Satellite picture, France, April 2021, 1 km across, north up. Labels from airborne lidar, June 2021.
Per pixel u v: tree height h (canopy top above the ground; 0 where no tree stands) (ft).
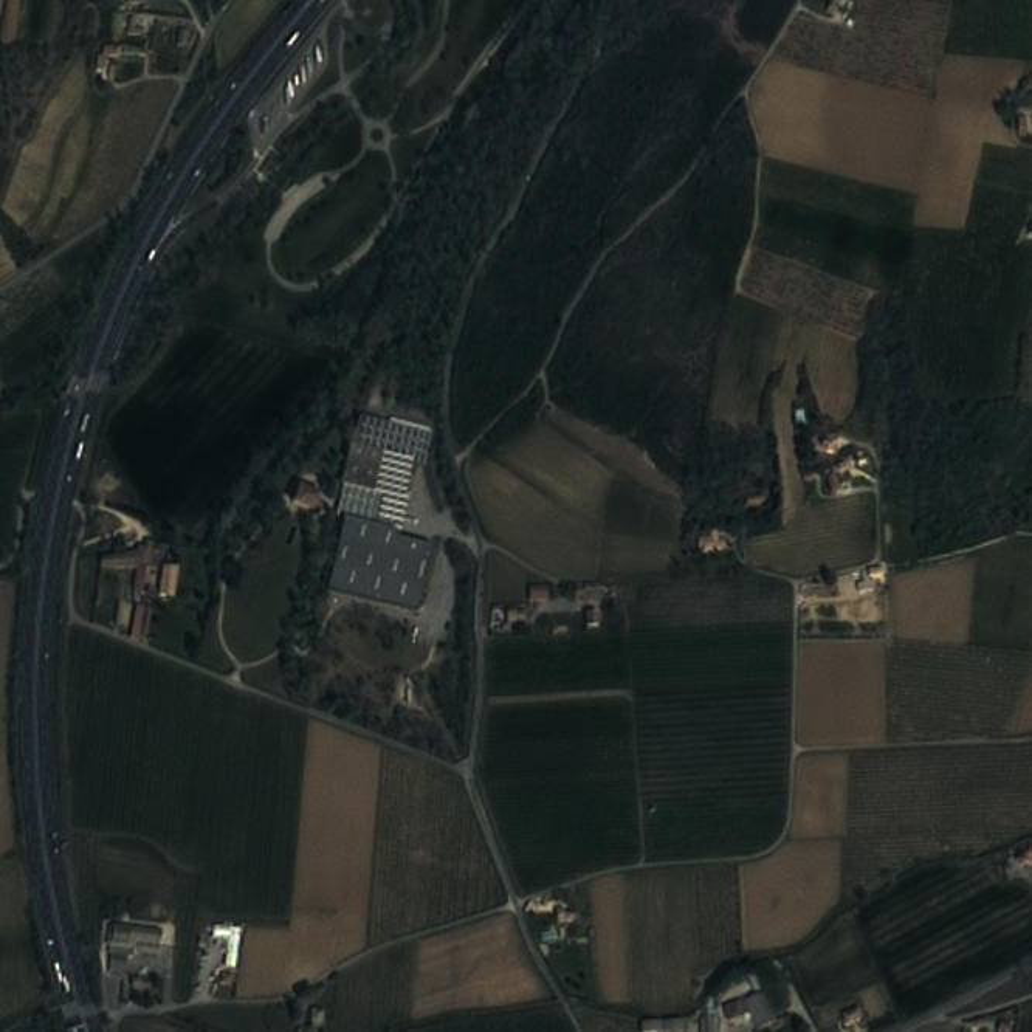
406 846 0
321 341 75
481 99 73
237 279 0
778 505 48
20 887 0
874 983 0
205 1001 0
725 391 0
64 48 34
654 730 19
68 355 64
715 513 33
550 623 39
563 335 65
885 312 58
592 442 0
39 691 0
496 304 27
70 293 0
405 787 0
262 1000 0
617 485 0
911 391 55
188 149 0
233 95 0
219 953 0
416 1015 0
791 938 0
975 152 0
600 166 19
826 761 0
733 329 0
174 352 0
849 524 0
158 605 29
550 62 88
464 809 0
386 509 0
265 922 0
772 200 0
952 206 0
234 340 0
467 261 86
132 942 0
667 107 22
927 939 0
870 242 0
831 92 0
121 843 0
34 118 30
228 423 0
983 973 0
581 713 0
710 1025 0
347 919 0
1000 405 20
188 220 0
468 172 89
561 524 0
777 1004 0
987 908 0
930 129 0
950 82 0
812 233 0
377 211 0
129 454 0
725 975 51
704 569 48
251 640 0
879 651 0
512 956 0
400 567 0
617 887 0
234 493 102
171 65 0
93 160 0
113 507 31
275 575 0
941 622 0
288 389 0
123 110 0
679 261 17
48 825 0
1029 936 0
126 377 76
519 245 18
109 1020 42
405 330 93
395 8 52
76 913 0
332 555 44
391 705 33
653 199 0
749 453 43
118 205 0
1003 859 0
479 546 0
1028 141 17
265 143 0
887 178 0
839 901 0
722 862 0
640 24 47
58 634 0
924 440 37
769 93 0
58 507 0
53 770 0
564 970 0
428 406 40
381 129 0
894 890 0
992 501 34
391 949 0
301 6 0
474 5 0
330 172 0
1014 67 0
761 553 0
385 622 32
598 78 29
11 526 0
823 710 0
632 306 20
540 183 27
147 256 0
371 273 56
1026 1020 0
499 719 0
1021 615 0
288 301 0
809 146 0
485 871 0
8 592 0
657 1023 0
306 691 50
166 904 0
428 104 46
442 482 32
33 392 52
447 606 0
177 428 0
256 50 0
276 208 47
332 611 0
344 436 101
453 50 31
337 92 0
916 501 25
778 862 0
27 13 0
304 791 0
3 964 0
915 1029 0
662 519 0
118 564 0
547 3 100
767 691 19
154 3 0
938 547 31
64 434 0
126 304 0
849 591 0
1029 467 24
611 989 0
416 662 0
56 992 26
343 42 0
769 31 23
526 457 0
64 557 0
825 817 0
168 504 0
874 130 0
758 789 21
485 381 21
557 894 23
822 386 0
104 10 23
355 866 0
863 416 30
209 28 0
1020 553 0
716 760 18
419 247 86
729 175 40
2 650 0
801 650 0
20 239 37
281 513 65
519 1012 0
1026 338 39
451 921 0
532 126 81
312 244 0
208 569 42
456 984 0
